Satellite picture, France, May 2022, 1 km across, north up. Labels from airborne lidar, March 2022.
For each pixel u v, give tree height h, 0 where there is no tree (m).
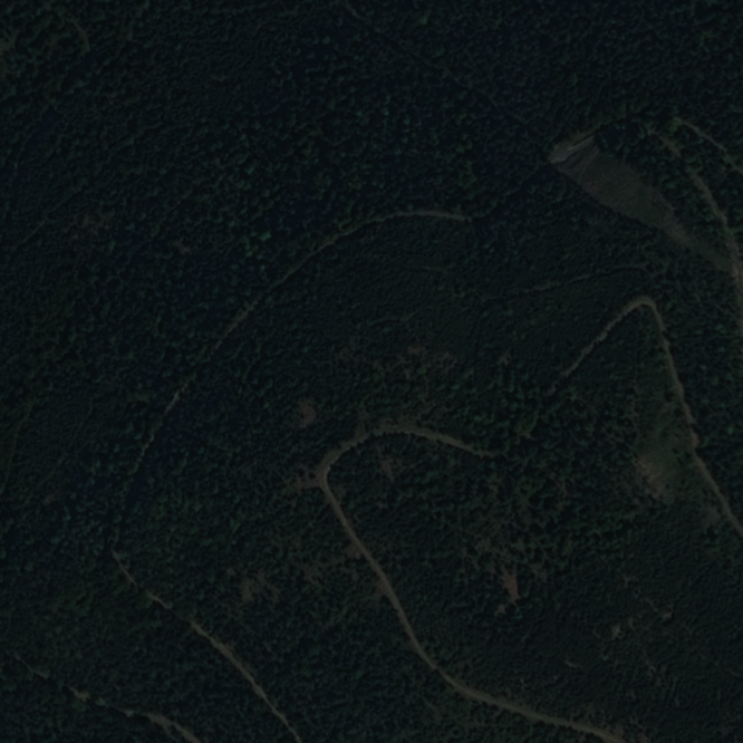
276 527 13
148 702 23
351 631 11
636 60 37
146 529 19
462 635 10
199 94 10
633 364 7
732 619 12
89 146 8
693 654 8
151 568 17
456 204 29
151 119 18
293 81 10
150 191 18
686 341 16
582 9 33
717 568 8
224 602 7
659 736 11
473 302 7
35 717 32
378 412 10
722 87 32
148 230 26
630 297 13
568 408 8
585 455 32
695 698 10
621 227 9
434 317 5
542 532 23
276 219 29
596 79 36
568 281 7
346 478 7
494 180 29
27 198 21
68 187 12
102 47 23
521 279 7
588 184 0
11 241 14
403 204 30
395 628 9
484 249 8
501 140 29
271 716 29
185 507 20
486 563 13
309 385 6
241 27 15
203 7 19
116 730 30
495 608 11
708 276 21
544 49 34
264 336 25
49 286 16
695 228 18
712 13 32
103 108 10
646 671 8
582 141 0
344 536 12
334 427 10
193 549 19
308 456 11
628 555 8
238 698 12
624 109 21
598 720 9
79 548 26
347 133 35
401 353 9
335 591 9
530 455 27
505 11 32
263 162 8
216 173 6
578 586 10
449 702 7
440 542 8
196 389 15
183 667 16
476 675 7
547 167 9
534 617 16
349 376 6
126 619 26
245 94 11
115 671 23
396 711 18
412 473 7
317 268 7
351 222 21
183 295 17
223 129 9
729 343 25
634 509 23
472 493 22
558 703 9
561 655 13
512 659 11
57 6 19
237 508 15
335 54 10
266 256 30
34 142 14
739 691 8
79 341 13
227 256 7
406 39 37
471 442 25
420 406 6
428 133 38
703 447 7
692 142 28
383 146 33
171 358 23
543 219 18
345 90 38
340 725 13
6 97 10
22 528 33
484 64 31
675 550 8
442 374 6
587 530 24
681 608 7
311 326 8
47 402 7
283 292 22
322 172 20
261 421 19
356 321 15
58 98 15
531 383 7
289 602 20
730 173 9
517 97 33
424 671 11
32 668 24
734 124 30
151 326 15
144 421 15
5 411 10
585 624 8
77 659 27
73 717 27
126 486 7
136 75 18
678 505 7
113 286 27
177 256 20
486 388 6
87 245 8
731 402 19
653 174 14
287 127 35
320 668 24
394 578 8
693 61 38
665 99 34
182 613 17
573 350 17
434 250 6
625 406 23
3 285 22
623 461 29
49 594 29
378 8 37
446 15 32
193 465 28
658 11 33
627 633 9
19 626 28
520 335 7
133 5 13
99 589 23
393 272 8
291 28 14
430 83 20
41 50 12
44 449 9
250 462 8
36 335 22
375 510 12
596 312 7
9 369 14
